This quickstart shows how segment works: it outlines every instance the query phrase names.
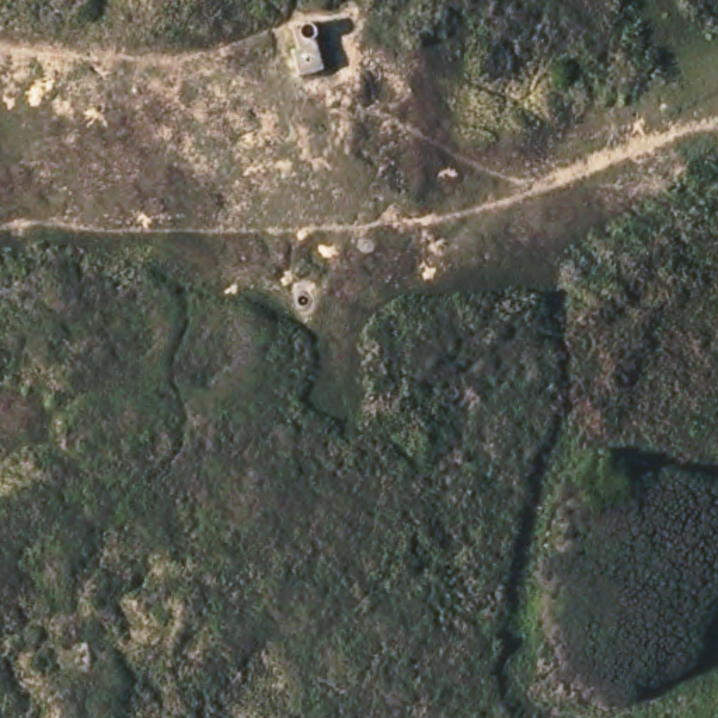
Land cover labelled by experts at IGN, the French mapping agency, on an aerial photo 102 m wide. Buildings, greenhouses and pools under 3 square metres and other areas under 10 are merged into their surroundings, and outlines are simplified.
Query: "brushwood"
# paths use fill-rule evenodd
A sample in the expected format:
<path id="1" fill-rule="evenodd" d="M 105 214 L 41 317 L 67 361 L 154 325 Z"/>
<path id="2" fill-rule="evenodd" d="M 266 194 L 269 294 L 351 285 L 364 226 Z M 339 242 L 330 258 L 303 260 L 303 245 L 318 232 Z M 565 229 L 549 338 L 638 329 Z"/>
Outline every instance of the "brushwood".
<path id="1" fill-rule="evenodd" d="M 454 79 L 460 87 L 468 56 L 480 59 L 482 76 L 508 81 L 530 79 L 539 67 L 561 62 L 564 81 L 572 87 L 578 84 L 586 93 L 586 98 L 595 98 L 595 84 L 603 84 L 609 76 L 609 56 L 625 53 L 625 59 L 631 59 L 637 67 L 634 81 L 625 93 L 625 104 L 637 107 L 645 98 L 651 76 L 656 70 L 662 70 L 665 79 L 676 79 L 676 73 L 690 76 L 704 53 L 712 53 L 718 59 L 718 0 L 446 0 L 446 17 L 432 22 L 429 34 L 421 36 L 421 62 L 432 73 Z"/>
<path id="2" fill-rule="evenodd" d="M 673 676 L 687 662 L 698 659 L 707 628 L 715 623 L 718 614 L 718 482 L 670 468 L 628 482 L 625 471 L 614 468 L 609 457 L 592 452 L 583 457 L 581 468 L 575 471 L 581 505 L 564 513 L 569 527 L 569 550 L 555 553 L 550 561 L 553 567 L 558 567 L 558 578 L 553 586 L 567 595 L 564 611 L 555 620 L 558 634 L 539 634 L 539 682 L 530 684 L 527 698 L 516 698 L 510 690 L 496 696 L 499 707 L 505 707 L 510 718 L 623 718 L 620 707 L 642 704 L 637 690 L 642 684 L 653 684 L 665 676 Z"/>

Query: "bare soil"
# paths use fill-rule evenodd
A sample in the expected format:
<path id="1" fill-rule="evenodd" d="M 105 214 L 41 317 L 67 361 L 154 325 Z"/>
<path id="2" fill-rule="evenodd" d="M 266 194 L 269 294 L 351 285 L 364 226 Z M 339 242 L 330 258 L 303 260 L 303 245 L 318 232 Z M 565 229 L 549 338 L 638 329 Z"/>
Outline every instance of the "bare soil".
<path id="1" fill-rule="evenodd" d="M 84 581 L 79 589 L 79 611 L 81 617 L 93 617 L 95 583 Z"/>
<path id="2" fill-rule="evenodd" d="M 409 395 L 409 381 L 401 381 L 398 393 L 370 395 L 362 409 L 367 415 L 398 412 L 401 401 L 407 401 Z"/>
<path id="3" fill-rule="evenodd" d="M 362 50 L 362 79 L 365 73 L 370 73 L 387 81 L 387 87 L 395 95 L 404 98 L 409 98 L 412 90 L 384 50 Z"/>
<path id="4" fill-rule="evenodd" d="M 28 76 L 31 59 L 42 62 L 45 76 L 28 93 L 28 101 L 36 107 L 42 95 L 53 87 L 56 73 L 73 70 L 76 50 L 62 45 L 0 42 L 0 65 L 6 56 L 11 56 L 11 73 L 17 81 L 22 81 Z"/>
<path id="5" fill-rule="evenodd" d="M 34 356 L 22 367 L 20 393 L 28 395 L 31 384 L 42 387 L 42 407 L 48 409 L 56 393 L 65 387 L 65 381 L 70 381 L 70 365 L 48 365 L 42 356 Z"/>
<path id="6" fill-rule="evenodd" d="M 50 693 L 50 682 L 39 676 L 31 653 L 20 653 L 17 679 L 31 698 L 42 704 L 45 718 L 62 718 L 65 698 L 59 693 Z"/>
<path id="7" fill-rule="evenodd" d="M 90 645 L 81 642 L 56 653 L 59 668 L 90 668 Z"/>
<path id="8" fill-rule="evenodd" d="M 149 572 L 154 578 L 191 578 L 194 561 L 174 564 L 163 558 L 163 553 L 154 553 L 149 558 Z"/>
<path id="9" fill-rule="evenodd" d="M 606 210 L 620 210 L 620 205 L 631 196 L 659 194 L 668 185 L 679 182 L 687 165 L 682 163 L 682 154 L 673 143 L 665 143 L 651 154 L 623 160 L 583 177 L 592 188 L 597 188 L 597 196 L 603 199 Z"/>
<path id="10" fill-rule="evenodd" d="M 407 230 L 415 241 L 421 241 L 421 275 L 432 280 L 443 269 L 443 241 L 432 236 L 432 224 Z"/>
<path id="11" fill-rule="evenodd" d="M 174 648 L 182 631 L 182 603 L 171 597 L 165 606 L 171 609 L 171 625 L 165 648 Z"/>
<path id="12" fill-rule="evenodd" d="M 157 625 L 157 617 L 146 614 L 146 609 L 135 597 L 123 597 L 123 611 L 129 617 L 132 637 L 146 642 L 149 631 L 154 631 Z"/>

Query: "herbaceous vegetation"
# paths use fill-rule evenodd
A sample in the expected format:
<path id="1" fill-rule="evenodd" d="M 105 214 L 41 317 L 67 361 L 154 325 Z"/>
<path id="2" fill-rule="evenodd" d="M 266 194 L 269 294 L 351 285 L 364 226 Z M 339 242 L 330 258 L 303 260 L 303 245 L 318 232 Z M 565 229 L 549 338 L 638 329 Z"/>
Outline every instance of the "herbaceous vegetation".
<path id="1" fill-rule="evenodd" d="M 707 628 L 698 659 L 687 662 L 673 676 L 665 676 L 653 684 L 642 684 L 637 690 L 642 704 L 620 707 L 623 718 L 718 718 L 718 614 L 715 623 Z"/>
<path id="2" fill-rule="evenodd" d="M 586 93 L 578 84 L 572 87 L 564 81 L 561 62 L 539 67 L 530 79 L 508 81 L 482 76 L 480 59 L 468 56 L 460 87 L 454 79 L 432 73 L 421 62 L 421 36 L 429 34 L 432 22 L 446 17 L 446 0 L 351 0 L 365 14 L 365 36 L 359 42 L 362 50 L 384 50 L 412 90 L 409 98 L 404 98 L 395 95 L 387 87 L 387 81 L 370 73 L 365 73 L 362 79 L 359 93 L 351 98 L 351 107 L 339 101 L 325 104 L 320 95 L 297 98 L 292 90 L 289 59 L 278 53 L 275 28 L 289 22 L 294 11 L 323 11 L 325 0 L 0 0 L 0 42 L 62 45 L 76 50 L 73 70 L 56 73 L 53 87 L 42 95 L 36 107 L 28 101 L 28 93 L 45 76 L 42 62 L 31 59 L 28 76 L 22 81 L 17 81 L 11 73 L 11 56 L 6 56 L 0 65 L 0 222 L 79 216 L 81 222 L 98 224 L 95 233 L 73 233 L 59 227 L 28 227 L 25 233 L 0 233 L 0 718 L 45 718 L 42 704 L 31 698 L 17 679 L 20 653 L 31 653 L 39 676 L 50 682 L 50 693 L 59 693 L 65 698 L 62 718 L 510 718 L 505 707 L 499 707 L 496 696 L 510 690 L 516 698 L 527 698 L 530 684 L 539 682 L 539 634 L 558 634 L 555 620 L 564 611 L 567 595 L 553 586 L 558 578 L 558 567 L 553 567 L 550 561 L 555 553 L 569 550 L 569 527 L 564 513 L 581 505 L 575 471 L 581 468 L 583 457 L 592 452 L 609 457 L 614 468 L 625 471 L 628 482 L 670 468 L 718 482 L 718 129 L 687 135 L 673 143 L 682 154 L 682 163 L 687 165 L 679 182 L 668 185 L 659 194 L 631 196 L 620 205 L 620 210 L 606 210 L 603 199 L 597 196 L 597 188 L 592 188 L 583 177 L 555 191 L 530 196 L 505 210 L 466 216 L 452 224 L 432 224 L 432 236 L 443 241 L 443 269 L 432 280 L 421 275 L 421 241 L 415 241 L 407 230 L 370 230 L 373 250 L 362 252 L 353 244 L 351 233 L 311 233 L 303 241 L 294 238 L 297 227 L 311 224 L 314 219 L 342 224 L 379 219 L 387 208 L 395 208 L 401 216 L 460 210 L 485 199 L 508 196 L 510 177 L 539 180 L 550 171 L 586 160 L 595 151 L 625 146 L 628 137 L 665 132 L 676 121 L 718 121 L 718 59 L 712 53 L 704 53 L 690 76 L 676 73 L 676 79 L 665 79 L 662 70 L 656 70 L 651 76 L 645 98 L 637 107 L 625 104 L 625 93 L 634 81 L 637 67 L 631 59 L 625 59 L 625 53 L 609 56 L 609 76 L 603 84 L 595 84 L 595 98 L 586 98 Z M 42 387 L 31 384 L 28 395 L 20 393 L 22 367 L 34 356 L 42 356 L 48 365 L 70 365 L 70 381 L 65 381 L 65 387 L 56 393 L 48 409 L 42 407 Z M 398 412 L 367 415 L 362 409 L 370 395 L 398 393 L 401 381 L 409 381 L 409 395 L 407 401 L 401 401 Z M 154 553 L 163 553 L 163 558 L 174 564 L 194 561 L 191 578 L 154 578 L 149 572 L 149 558 Z M 93 617 L 81 617 L 79 611 L 79 589 L 84 581 L 95 583 Z M 123 611 L 123 597 L 135 597 L 146 609 L 146 614 L 157 617 L 157 625 L 154 631 L 149 631 L 146 642 L 132 637 L 129 617 Z M 182 631 L 174 648 L 165 648 L 171 625 L 171 609 L 165 606 L 171 597 L 182 603 Z M 90 645 L 90 668 L 59 668 L 56 653 L 81 642 Z"/>

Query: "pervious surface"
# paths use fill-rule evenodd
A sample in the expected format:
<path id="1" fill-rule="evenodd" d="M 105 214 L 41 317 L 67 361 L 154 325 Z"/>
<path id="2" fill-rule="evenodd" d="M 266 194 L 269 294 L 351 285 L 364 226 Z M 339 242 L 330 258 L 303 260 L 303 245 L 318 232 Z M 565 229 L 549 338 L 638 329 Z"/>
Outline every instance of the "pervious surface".
<path id="1" fill-rule="evenodd" d="M 73 233 L 95 233 L 98 224 L 81 222 L 79 216 L 0 222 L 0 233 L 25 233 L 28 227 L 59 227 Z"/>
<path id="2" fill-rule="evenodd" d="M 623 160 L 651 154 L 665 143 L 673 143 L 687 135 L 718 129 L 718 121 L 676 121 L 665 132 L 628 137 L 625 146 L 595 151 L 586 160 L 550 171 L 539 180 L 510 177 L 508 196 L 485 199 L 460 210 L 401 216 L 395 208 L 387 208 L 379 219 L 342 224 L 314 219 L 311 224 L 297 227 L 294 238 L 303 241 L 311 233 L 351 233 L 353 244 L 362 252 L 373 250 L 370 230 L 407 230 L 432 224 L 452 224 L 466 216 L 505 210 L 530 196 L 555 191 L 583 177 Z"/>
<path id="3" fill-rule="evenodd" d="M 339 67 L 334 76 L 323 76 L 323 59 L 317 48 L 320 22 L 337 20 L 353 22 L 351 34 L 342 36 L 345 67 Z M 365 36 L 365 14 L 351 0 L 325 0 L 323 11 L 294 11 L 289 22 L 275 28 L 278 53 L 289 59 L 292 90 L 297 98 L 320 95 L 325 104 L 339 101 L 351 107 L 351 98 L 359 93 L 362 79 L 362 50 L 359 42 Z"/>

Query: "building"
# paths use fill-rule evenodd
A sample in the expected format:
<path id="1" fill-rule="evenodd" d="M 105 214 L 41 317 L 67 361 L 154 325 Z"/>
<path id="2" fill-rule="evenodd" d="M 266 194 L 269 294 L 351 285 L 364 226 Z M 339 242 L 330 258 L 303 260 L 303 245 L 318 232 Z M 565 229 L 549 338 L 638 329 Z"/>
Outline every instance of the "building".
<path id="1" fill-rule="evenodd" d="M 334 76 L 339 67 L 345 67 L 342 36 L 351 34 L 353 22 L 337 20 L 320 22 L 317 48 L 323 59 L 323 76 Z"/>

